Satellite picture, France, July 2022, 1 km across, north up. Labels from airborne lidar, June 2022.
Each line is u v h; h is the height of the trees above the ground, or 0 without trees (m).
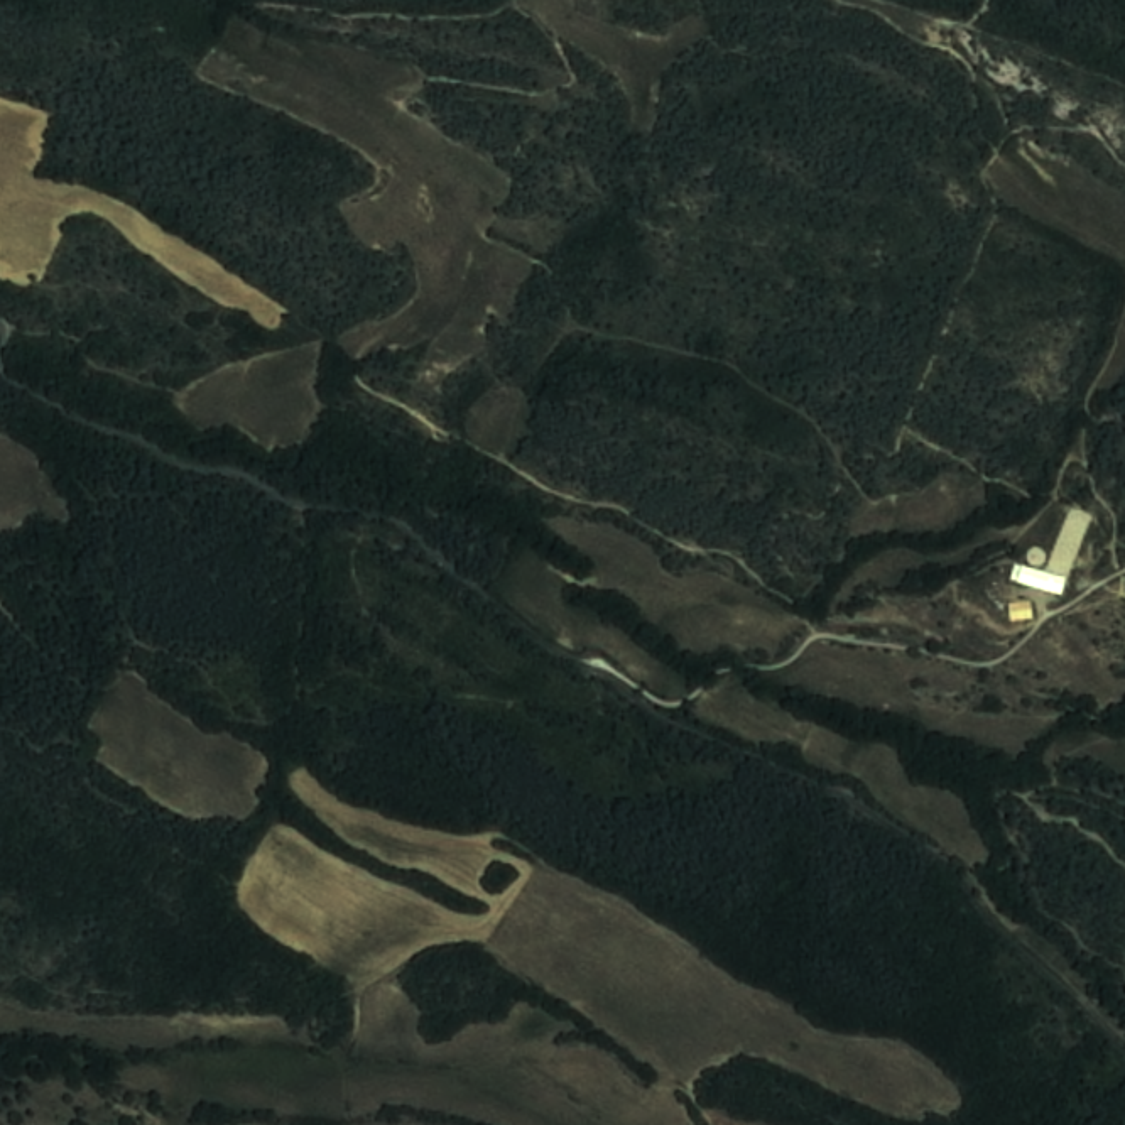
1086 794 12
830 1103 6
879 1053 0
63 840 9
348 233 9
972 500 0
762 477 9
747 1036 0
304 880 0
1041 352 0
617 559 0
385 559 11
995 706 9
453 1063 0
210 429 9
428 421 0
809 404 11
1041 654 0
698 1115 8
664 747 10
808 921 12
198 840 10
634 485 11
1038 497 10
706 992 0
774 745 9
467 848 0
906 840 6
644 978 0
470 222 0
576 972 0
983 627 0
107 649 9
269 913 0
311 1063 0
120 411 15
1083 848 9
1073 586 0
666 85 6
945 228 10
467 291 0
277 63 0
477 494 6
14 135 0
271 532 14
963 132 13
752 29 6
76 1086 10
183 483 14
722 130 11
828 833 14
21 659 15
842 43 10
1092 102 0
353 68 0
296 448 9
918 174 7
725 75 10
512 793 19
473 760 18
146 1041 0
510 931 0
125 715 0
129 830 8
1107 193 0
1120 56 8
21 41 9
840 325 12
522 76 11
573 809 18
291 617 11
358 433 7
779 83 10
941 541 8
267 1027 0
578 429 10
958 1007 10
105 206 0
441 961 10
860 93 12
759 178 11
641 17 11
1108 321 8
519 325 14
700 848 14
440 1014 7
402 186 0
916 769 18
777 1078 6
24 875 6
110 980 8
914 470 10
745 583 8
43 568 16
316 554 8
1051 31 7
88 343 5
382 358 8
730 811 16
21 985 7
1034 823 6
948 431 12
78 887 7
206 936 8
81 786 11
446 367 0
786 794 15
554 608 0
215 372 0
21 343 6
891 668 0
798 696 9
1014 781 7
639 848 20
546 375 9
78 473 7
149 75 8
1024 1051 6
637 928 0
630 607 14
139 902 6
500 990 9
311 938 0
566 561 17
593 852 13
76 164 14
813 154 7
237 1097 0
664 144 11
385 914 0
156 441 10
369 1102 0
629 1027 0
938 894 9
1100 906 6
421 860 0
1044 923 8
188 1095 0
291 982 9
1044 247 9
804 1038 0
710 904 10
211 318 8
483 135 12
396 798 8
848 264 10
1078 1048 11
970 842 0
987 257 0
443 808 7
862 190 10
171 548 10
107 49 8
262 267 11
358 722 10
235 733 8
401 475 16
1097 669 0
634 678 0
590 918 0
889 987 12
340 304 11
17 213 0
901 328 9
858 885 11
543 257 11
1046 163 0
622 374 14
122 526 11
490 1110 0
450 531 19
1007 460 13
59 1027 0
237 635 9
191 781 0
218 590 8
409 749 10
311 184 8
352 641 8
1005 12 6
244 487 8
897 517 0
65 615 14
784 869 12
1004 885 12
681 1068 0
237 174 15
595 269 12
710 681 12
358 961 0
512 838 6
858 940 12
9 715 14
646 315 7
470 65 11
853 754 0
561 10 0
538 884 0
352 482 13
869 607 6
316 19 9
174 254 0
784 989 8
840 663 0
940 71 10
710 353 6
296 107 0
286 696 12
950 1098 0
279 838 0
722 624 0
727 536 10
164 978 6
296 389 0
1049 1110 15
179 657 12
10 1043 18
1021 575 0
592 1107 0
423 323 0
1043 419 9
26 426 9
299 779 0
